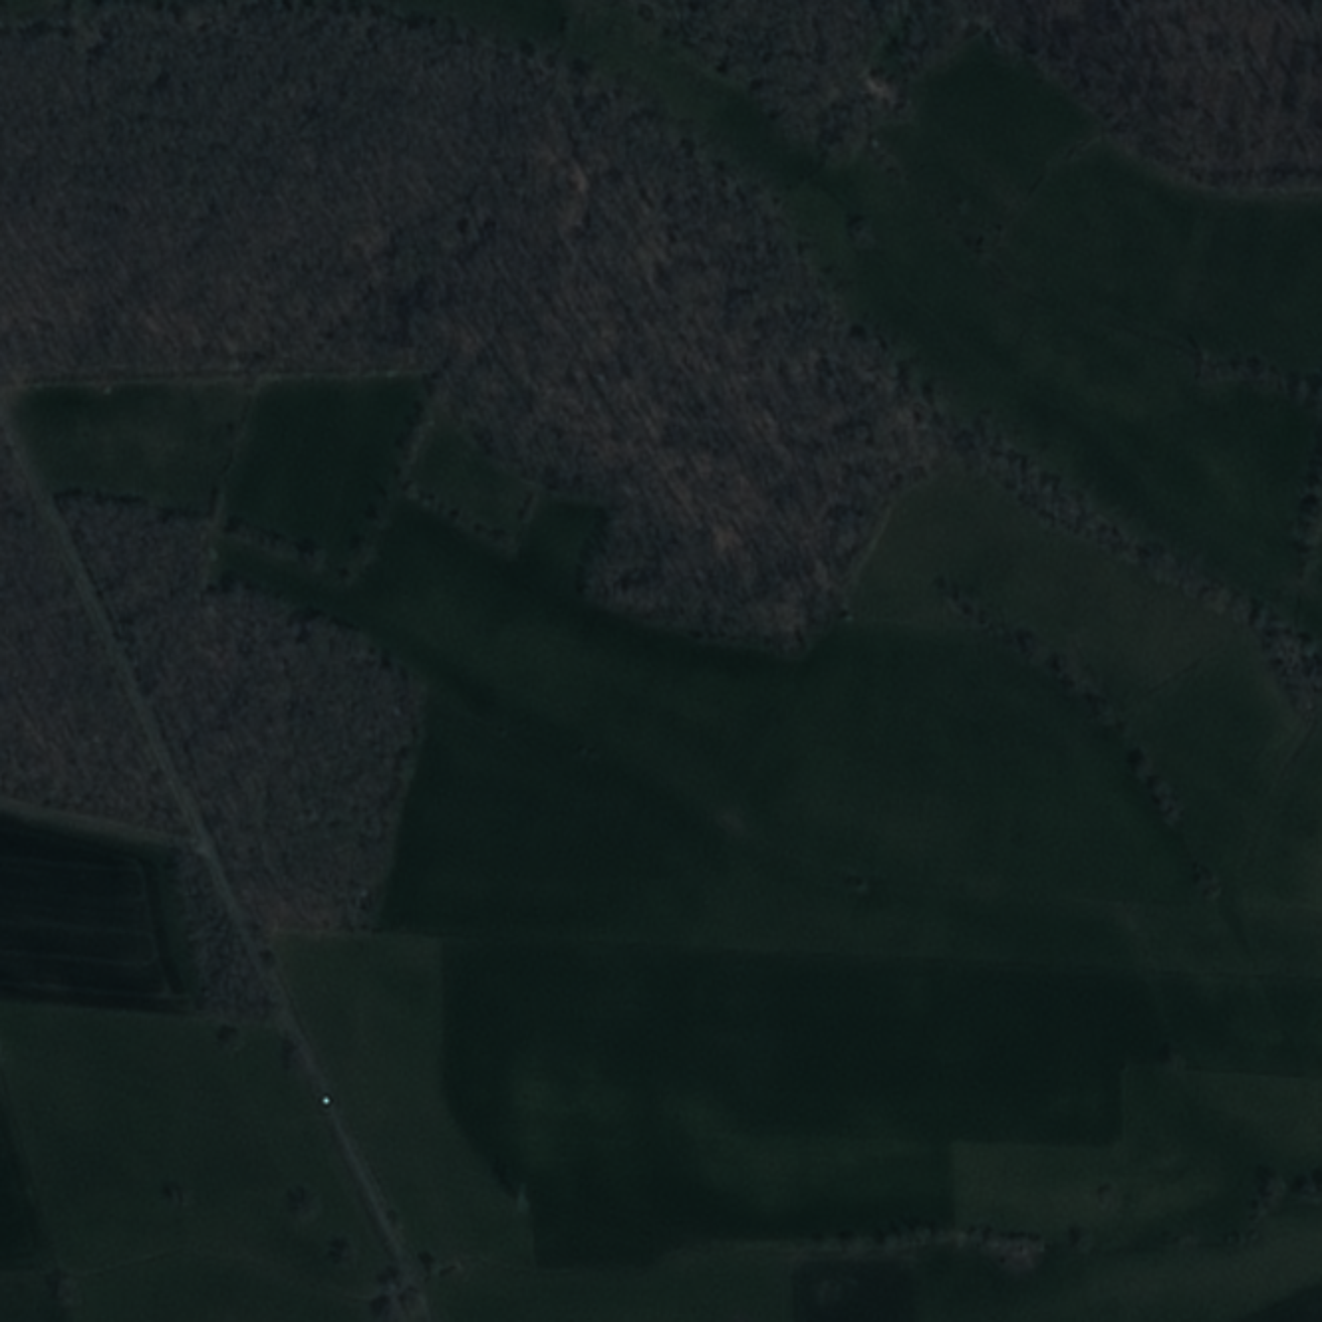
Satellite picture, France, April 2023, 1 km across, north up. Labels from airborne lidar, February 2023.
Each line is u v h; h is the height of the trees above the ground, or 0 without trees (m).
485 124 21
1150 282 0
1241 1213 0
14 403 0
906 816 0
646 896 0
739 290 28
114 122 19
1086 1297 0
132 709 13
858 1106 0
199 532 21
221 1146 0
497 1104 0
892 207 0
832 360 20
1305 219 0
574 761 0
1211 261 0
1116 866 0
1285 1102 0
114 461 0
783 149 0
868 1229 0
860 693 0
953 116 0
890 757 0
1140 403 0
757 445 28
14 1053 0
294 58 20
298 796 16
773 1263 0
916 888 0
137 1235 0
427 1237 0
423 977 0
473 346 25
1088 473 0
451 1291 0
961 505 0
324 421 0
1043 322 0
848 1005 0
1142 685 0
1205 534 0
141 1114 0
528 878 0
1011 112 0
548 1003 0
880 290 0
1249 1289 0
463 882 0
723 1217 0
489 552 0
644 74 0
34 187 20
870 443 21
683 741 0
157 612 16
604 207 27
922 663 0
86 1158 0
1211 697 0
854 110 21
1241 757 0
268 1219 0
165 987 0
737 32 21
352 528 0
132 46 23
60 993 0
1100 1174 0
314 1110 0
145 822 20
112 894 0
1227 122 0
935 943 0
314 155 23
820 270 11
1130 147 18
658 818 0
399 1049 0
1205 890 8
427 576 0
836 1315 0
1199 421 0
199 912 14
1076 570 0
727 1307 0
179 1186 0
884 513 12
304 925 22
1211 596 16
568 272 27
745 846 0
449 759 0
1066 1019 0
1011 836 0
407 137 22
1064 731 0
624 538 22
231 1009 9
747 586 26
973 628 14
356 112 19
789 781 0
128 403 0
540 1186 0
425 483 0
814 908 0
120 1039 0
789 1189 0
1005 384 0
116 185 20
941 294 0
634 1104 0
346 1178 0
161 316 23
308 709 16
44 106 20
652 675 0
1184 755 0
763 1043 0
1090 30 0
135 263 20
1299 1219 0
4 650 17
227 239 19
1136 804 0
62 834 0
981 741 0
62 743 24
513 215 23
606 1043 0
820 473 26
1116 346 0
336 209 22
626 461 25
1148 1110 0
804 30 21
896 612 0
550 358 27
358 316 20
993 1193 0
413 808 0
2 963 0
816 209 0
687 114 0
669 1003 0
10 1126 0
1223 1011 0
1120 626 0
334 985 0
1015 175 0
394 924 0
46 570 22
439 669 0
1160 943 0
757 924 0
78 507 20
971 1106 0
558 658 0
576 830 0
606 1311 0
